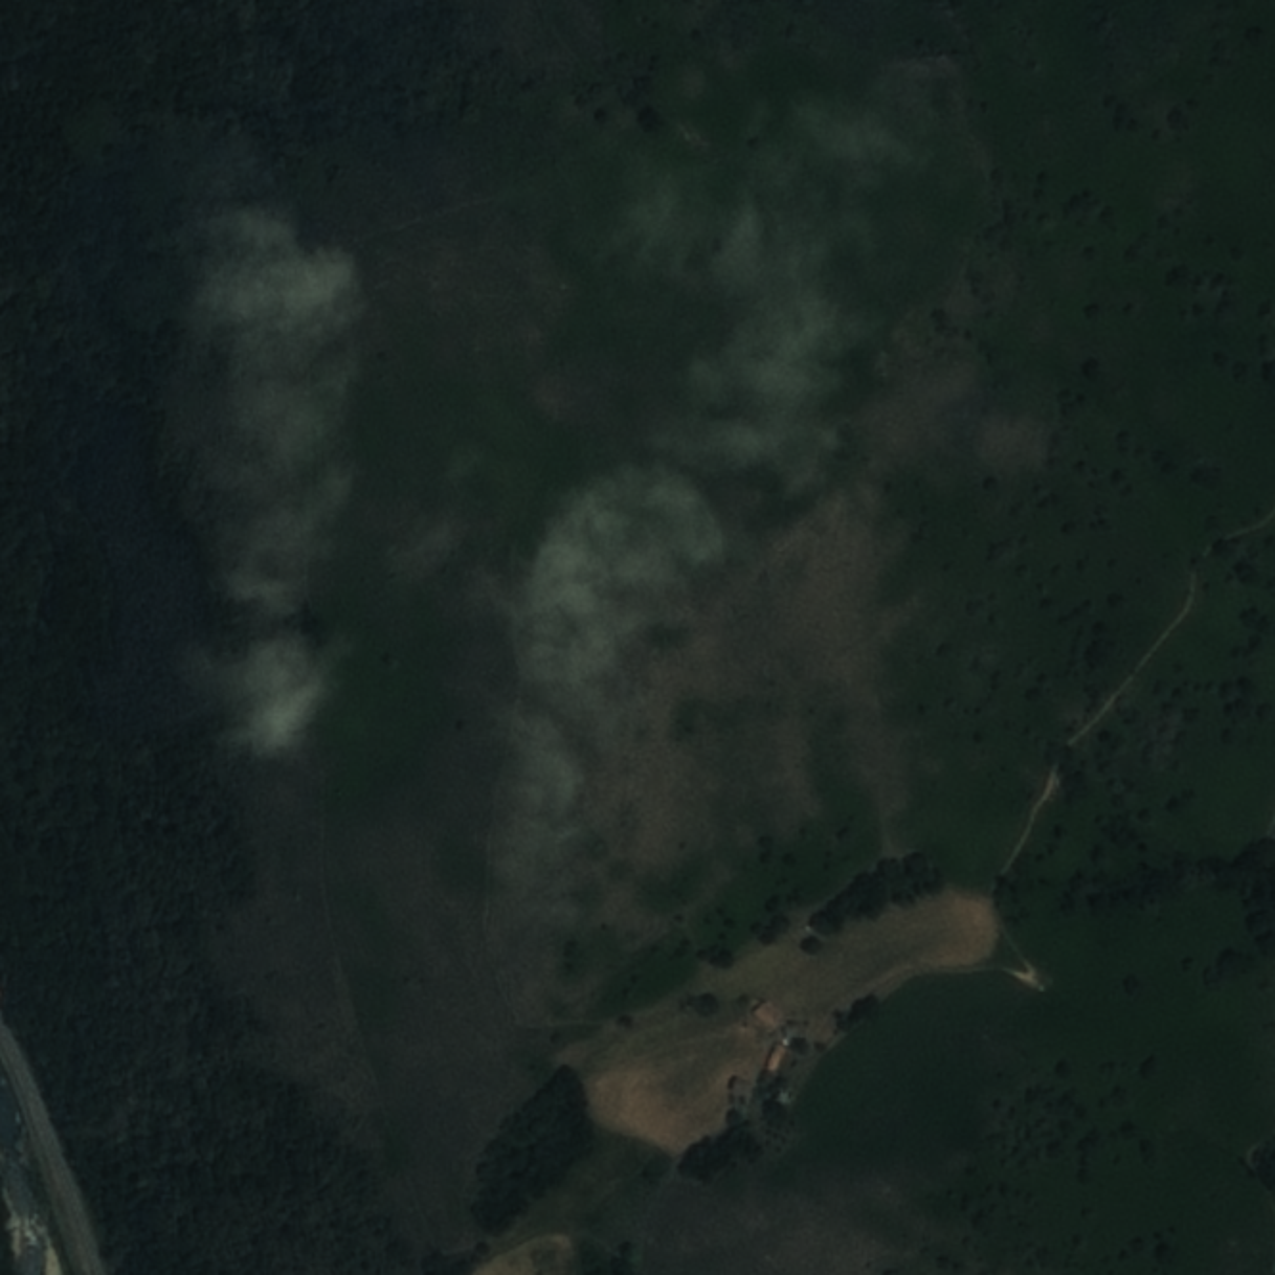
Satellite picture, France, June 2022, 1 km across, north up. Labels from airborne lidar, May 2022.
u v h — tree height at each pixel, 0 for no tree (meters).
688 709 0
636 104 12
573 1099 21
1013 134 0
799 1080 0
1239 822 0
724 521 0
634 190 0
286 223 0
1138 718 15
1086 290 0
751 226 0
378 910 0
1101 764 8
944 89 0
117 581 26
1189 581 0
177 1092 10
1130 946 0
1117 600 11
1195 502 0
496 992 0
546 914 0
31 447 11
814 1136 0
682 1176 6
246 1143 10
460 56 8
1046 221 11
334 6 7
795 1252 0
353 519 0
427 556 0
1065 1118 17
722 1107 0
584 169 0
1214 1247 0
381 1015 0
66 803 12
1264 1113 0
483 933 0
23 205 14
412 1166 0
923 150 0
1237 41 0
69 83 13
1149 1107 0
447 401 0
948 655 11
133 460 27
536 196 0
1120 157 0
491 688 0
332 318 0
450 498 0
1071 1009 0
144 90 12
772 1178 0
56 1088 15
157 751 10
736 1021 0
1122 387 11
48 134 8
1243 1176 0
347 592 0
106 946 10
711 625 0
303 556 0
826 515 0
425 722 0
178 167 7
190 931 6
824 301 0
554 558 0
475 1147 0
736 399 0
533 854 0
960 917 0
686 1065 0
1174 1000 0
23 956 19
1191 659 0
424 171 0
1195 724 14
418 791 0
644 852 0
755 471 0
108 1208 16
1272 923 10
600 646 0
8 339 15
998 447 0
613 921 0
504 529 0
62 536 17
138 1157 15
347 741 0
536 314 0
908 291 0
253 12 11
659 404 0
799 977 0
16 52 10
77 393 14
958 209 0
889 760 0
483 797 0
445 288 0
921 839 0
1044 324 0
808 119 0
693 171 0
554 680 0
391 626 0
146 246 14
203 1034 9
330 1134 8
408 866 0
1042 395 0
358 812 0
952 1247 0
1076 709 0
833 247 0
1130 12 0
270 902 0
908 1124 0
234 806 6
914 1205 0
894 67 0
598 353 0
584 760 0
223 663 14
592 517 0
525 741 0
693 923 0
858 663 0
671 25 0
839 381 0
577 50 0
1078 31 0
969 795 0
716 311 0
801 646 0
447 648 0
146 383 14
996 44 0
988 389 5
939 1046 0
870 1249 0
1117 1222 0
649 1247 0
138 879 8
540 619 0
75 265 12
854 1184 0
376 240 0
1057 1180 0
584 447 0
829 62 0
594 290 0
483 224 0
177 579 26
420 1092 0
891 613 0
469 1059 0
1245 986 0
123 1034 6
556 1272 0
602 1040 0
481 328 0
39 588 13
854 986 0
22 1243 0
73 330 18
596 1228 0
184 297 7
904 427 0
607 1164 0
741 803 0
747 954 0
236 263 10
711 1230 0
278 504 0
